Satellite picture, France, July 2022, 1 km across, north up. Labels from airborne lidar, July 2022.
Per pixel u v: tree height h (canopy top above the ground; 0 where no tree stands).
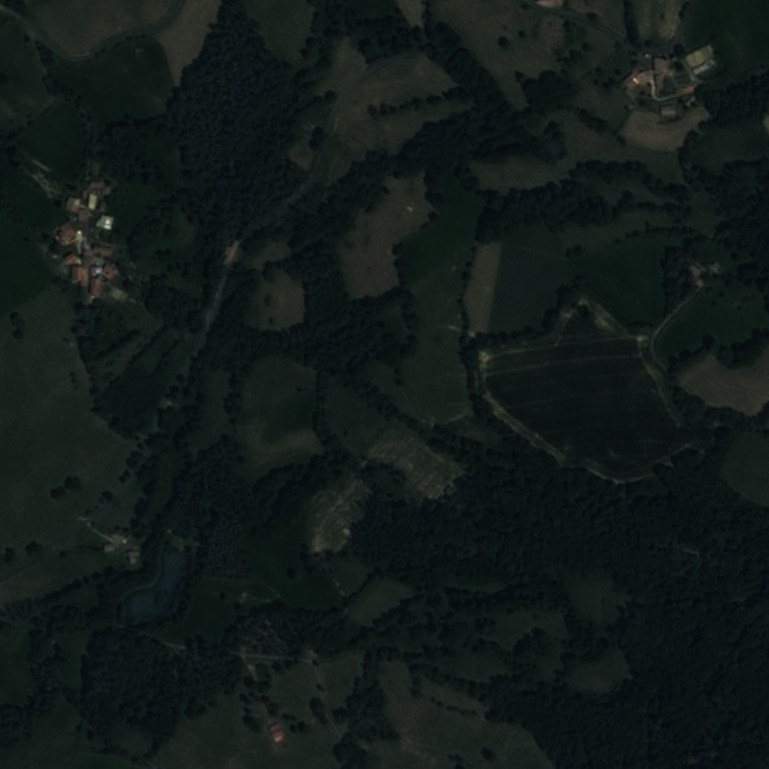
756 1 0
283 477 17
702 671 27
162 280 18
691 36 0
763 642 22
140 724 17
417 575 21
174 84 0
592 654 9
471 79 25
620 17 0
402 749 0
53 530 0
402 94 0
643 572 26
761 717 20
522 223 17
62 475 0
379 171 17
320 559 16
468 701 0
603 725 19
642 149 0
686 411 14
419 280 0
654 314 0
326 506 0
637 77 0
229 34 27
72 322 0
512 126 17
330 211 19
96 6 0
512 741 0
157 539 20
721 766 21
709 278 15
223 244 7
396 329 0
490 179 0
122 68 0
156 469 23
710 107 22
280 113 8
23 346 0
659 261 0
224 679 25
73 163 0
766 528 10
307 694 0
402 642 9
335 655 12
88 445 0
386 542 20
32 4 0
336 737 0
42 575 0
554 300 0
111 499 20
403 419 20
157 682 11
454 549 18
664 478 25
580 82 0
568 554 26
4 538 0
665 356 0
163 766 0
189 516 17
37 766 0
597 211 30
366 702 18
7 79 15
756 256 21
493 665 0
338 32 13
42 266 0
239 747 0
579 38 0
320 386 9
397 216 0
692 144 15
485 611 19
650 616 25
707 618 23
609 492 19
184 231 0
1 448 0
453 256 0
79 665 0
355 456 21
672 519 23
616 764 17
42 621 14
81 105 18
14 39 0
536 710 24
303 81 12
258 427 0
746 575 17
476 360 21
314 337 8
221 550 33
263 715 0
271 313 0
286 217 6
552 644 19
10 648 0
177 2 0
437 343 0
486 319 0
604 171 21
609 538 20
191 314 15
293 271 21
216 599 0
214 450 16
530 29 0
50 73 7
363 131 0
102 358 13
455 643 24
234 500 26
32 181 7
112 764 0
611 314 0
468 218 0
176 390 15
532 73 0
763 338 26
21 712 20
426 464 0
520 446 15
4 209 26
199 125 24
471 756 0
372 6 0
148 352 9
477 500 27
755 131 0
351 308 13
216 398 0
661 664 26
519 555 23
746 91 21
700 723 21
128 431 16
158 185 15
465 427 0
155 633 10
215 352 18
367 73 0
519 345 11
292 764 0
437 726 0
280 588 0
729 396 0
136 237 16
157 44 0
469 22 0
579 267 0
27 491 0
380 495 20
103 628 15
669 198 13
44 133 0
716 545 20
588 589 0
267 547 0
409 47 14
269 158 25
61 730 0
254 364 21
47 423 0
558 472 21
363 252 0
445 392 0
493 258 0
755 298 6
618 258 0
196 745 0
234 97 28
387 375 0
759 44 0
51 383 0
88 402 0
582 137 0
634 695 28
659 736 32
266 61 32
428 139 26
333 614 10
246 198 15
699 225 0
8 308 0
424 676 11
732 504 13
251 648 13
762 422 12
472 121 25
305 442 0
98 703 20
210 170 25
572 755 18
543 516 17
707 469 22
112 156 18
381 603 0
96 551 9
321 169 0
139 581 19
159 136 16
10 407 0
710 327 0
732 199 15
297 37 0
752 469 0
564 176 0
